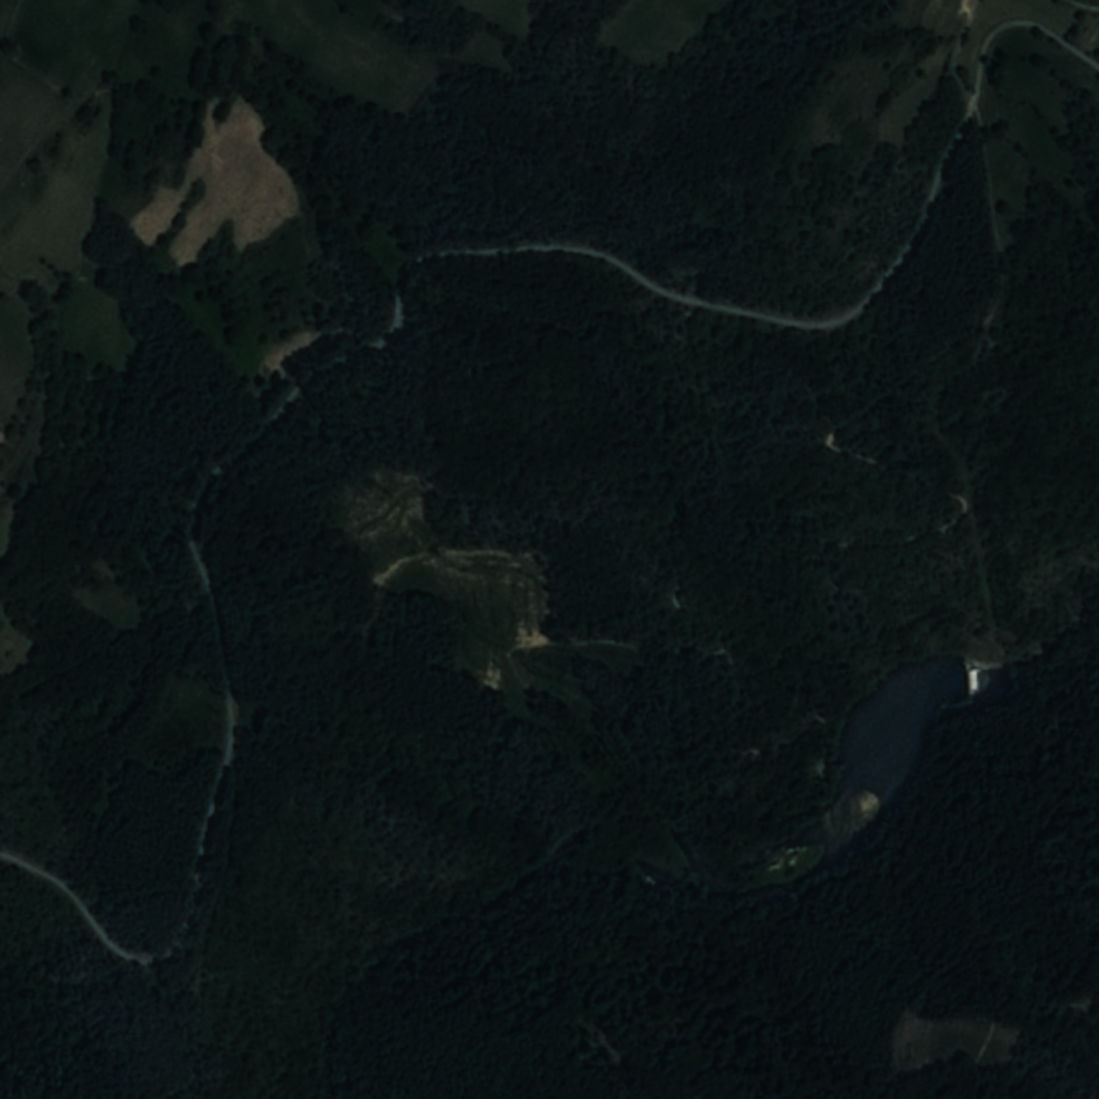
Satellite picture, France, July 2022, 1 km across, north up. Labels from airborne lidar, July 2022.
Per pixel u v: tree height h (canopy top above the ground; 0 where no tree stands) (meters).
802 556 13
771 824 18
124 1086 21
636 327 12
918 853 29
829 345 11
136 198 0
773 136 16
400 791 18
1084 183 11
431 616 16
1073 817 25
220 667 23
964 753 20
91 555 17
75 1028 12
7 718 17
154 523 32
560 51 13
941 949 11
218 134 0
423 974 25
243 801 18
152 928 21
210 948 20
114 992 15
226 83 17
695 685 23
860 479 10
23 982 18
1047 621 14
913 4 0
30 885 15
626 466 24
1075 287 20
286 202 0
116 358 0
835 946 23
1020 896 13
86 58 0
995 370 9
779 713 14
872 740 0
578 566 21
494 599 0
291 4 0
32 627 13
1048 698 21
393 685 27
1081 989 16
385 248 0
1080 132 15
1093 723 25
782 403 13
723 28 10
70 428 13
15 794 11
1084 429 17
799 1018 22
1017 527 9
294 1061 17
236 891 24
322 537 22
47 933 9
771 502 17
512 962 30
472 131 20
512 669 0
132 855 20
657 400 10
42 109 0
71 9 0
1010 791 27
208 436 30
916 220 9
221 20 0
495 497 14
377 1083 12
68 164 0
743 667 8
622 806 10
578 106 11
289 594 23
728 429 21
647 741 20
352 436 34
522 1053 23
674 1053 25
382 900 13
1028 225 17
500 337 26
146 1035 19
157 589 12
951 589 8
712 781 12
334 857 10
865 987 18
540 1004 22
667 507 22
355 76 0
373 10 0
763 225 11
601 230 22
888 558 10
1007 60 19
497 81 11
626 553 9
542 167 26
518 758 29
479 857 15
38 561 8
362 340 12
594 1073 19
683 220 15
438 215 16
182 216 8
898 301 14
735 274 13
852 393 6
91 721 14
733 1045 10
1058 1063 10
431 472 15
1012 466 22
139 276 16
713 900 17
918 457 17
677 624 10
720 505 24
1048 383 18
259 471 29
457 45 14
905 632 18
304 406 19
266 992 14
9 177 0
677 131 13
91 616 14
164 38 0
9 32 0
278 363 0
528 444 18
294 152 17
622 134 13
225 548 19
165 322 22
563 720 26
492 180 17
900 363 18
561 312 24
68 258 0
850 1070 18
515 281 14
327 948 13
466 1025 19
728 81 15
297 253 0
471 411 14
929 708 0
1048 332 7
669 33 0
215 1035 9
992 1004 10
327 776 13
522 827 25
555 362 25
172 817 23
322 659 29
